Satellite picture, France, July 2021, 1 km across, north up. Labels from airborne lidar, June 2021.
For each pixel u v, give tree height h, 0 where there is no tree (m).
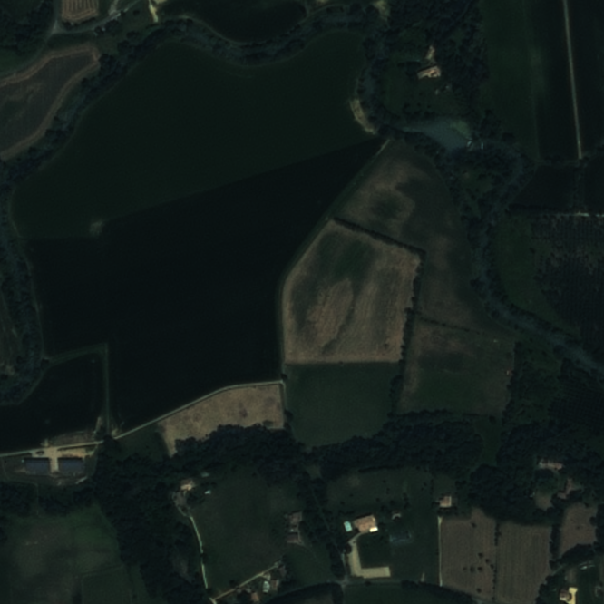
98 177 0
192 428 0
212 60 0
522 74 0
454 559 0
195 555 6
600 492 20
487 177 9
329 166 0
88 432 0
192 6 0
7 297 11
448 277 0
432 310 0
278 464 31
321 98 0
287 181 0
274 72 0
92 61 0
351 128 0
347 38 0
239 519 0
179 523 7
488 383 0
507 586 0
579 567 0
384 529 12
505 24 0
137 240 0
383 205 0
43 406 0
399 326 0
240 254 0
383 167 0
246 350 0
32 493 7
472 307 0
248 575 0
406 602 0
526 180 14
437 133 0
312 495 15
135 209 0
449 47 19
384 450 24
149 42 13
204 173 0
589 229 13
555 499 11
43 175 0
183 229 0
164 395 0
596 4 0
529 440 22
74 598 0
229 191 0
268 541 0
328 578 0
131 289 0
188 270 0
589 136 0
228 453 22
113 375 0
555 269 13
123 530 11
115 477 12
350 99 0
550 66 0
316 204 0
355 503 0
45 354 0
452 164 9
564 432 22
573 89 0
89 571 0
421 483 0
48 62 0
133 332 0
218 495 0
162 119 0
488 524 0
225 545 0
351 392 0
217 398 0
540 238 11
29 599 0
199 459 17
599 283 16
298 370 0
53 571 0
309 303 0
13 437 0
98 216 0
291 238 0
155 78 0
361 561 0
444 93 0
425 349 0
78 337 0
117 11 0
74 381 0
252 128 0
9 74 0
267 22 0
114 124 0
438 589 17
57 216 0
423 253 12
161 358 0
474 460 9
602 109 0
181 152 0
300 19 0
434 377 0
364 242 0
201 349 0
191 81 0
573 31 0
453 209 0
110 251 0
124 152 0
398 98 0
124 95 0
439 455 18
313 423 0
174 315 0
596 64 0
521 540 0
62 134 22
